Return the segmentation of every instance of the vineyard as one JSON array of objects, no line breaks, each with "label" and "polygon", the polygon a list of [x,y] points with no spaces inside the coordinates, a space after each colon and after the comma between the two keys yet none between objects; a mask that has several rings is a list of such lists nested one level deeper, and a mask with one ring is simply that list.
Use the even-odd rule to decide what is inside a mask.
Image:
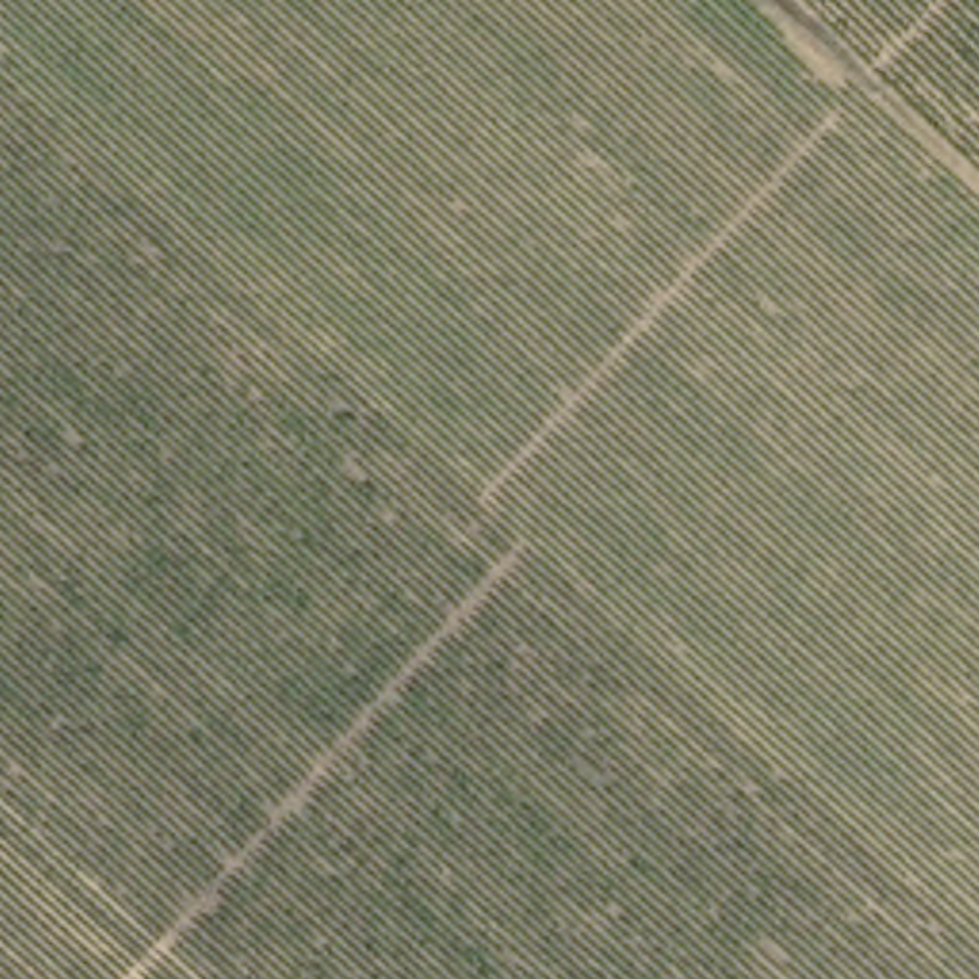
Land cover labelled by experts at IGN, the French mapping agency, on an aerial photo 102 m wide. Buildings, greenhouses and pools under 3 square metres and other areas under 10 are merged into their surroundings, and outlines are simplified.
[{"label": "vineyard", "polygon": [[979,979],[979,0],[0,0],[0,979]]}]

